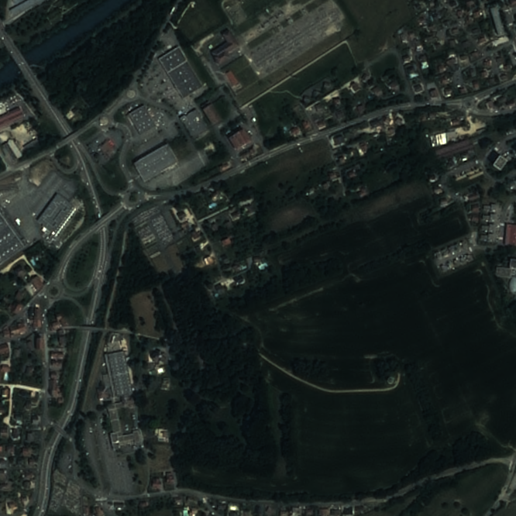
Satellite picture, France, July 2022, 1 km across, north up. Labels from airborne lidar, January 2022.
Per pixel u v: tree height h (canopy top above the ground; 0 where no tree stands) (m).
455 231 0
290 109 7
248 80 0
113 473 0
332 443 0
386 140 7
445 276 0
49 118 0
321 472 0
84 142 0
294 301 0
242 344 22
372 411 0
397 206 0
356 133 0
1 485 0
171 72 0
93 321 0
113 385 0
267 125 0
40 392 0
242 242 8
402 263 0
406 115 8
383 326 0
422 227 0
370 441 0
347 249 0
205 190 16
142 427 17
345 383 0
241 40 0
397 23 0
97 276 0
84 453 14
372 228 0
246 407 21
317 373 10
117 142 0
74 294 0
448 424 0
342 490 0
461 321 0
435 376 0
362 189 0
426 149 0
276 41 0
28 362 0
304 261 0
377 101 7
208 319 20
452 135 0
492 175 6
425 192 0
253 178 0
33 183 0
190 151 0
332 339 0
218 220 9
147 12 8
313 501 9
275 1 0
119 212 0
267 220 0
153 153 0
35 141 0
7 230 0
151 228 0
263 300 15
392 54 0
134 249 9
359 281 0
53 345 8
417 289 0
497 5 9
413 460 0
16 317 0
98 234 0
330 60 0
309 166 0
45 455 0
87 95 21
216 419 0
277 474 0
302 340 0
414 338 0
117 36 8
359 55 0
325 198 6
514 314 13
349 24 0
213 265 0
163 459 0
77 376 0
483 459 14
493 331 0
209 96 9
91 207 0
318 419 0
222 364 25
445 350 0
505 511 0
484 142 17
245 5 0
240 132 0
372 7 0
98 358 0
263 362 0
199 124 0
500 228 0
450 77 0
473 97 0
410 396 0
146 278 16
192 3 0
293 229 8
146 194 0
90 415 13
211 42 0
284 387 0
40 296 0
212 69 0
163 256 0
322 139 0
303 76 0
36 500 0
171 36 0
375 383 0
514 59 0
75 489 0
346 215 0
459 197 0
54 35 0
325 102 0
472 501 0
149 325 0
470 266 0
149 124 0
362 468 0
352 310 0
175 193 0
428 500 15
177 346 25
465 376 0
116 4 0
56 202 0
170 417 11
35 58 0
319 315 0
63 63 26
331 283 0
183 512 0
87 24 0
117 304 7
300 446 0
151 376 11
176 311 14
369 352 0
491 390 0
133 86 0
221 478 0
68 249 0
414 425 0
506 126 0
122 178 0
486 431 0
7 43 0
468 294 0
